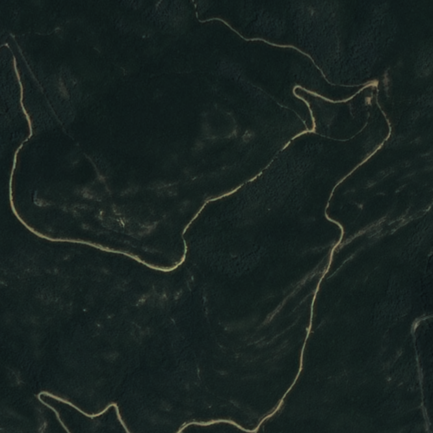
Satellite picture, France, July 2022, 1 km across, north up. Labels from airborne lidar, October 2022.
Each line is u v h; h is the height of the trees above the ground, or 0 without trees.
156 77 8
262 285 7
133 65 6
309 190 6
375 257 8
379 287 6
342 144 7
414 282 9
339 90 6
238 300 6
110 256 9
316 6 7
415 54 6
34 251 6
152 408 7
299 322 7
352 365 7
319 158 6
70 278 6
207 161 6
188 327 6
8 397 9
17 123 5
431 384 12
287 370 8
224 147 7
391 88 5
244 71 7
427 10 6
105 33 11
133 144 6
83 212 6
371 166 6
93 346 6
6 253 8
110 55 7
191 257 6
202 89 7
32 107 13
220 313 5
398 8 6
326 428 6
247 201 12
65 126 7
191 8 8
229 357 6
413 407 5
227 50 8
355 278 6
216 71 12
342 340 9
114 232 8
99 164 8
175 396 6
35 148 7
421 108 10
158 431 8
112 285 7
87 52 7
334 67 10
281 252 8
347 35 7
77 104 6
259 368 6
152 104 7
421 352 14
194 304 8
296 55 6
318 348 8
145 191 7
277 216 6
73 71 6
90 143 7
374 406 9
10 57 15
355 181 7
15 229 6
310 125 6
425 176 7
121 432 8
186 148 6
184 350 8
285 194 13
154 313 7
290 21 6
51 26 7
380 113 7
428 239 6
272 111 6
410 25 5
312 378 6
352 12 11
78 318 7
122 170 7
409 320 6
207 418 6
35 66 13
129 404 10
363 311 7
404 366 14
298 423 8
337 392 6
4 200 6
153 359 6
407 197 6
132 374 6
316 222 6
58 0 8
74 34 6
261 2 9
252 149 7
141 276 8
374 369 5
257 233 6
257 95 8
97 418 7
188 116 7
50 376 6
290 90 6
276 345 6
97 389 7
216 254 13
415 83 8
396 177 7
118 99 10
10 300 7
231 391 6
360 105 7
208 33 6
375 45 6
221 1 8
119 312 7
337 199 6
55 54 7
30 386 5
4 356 8
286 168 14
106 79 9
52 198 5
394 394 11
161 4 9
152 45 6
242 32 8
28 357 10
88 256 6
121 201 7
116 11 9
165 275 6
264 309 6
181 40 6
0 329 10
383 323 8
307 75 6
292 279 6
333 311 7
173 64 7
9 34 9
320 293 7
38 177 5
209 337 6
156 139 7
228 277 13
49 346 9
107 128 6
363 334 5
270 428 7
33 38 6
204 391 5
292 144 9
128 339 6
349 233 6
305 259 7
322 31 8
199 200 6
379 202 7
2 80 15
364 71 7
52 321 7
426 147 6
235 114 7
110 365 9
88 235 7
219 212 8
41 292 12
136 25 6
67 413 6
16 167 7
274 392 7
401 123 6
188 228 6
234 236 7
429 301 19
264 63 6
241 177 7
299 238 6
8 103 11
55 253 9
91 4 13
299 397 8
